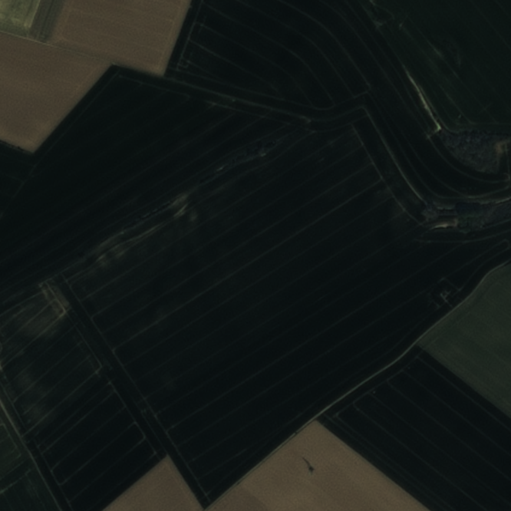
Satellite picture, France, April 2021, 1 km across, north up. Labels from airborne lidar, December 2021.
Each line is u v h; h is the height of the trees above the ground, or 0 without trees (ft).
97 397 0
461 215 56
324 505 0
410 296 0
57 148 0
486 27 0
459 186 0
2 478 0
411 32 0
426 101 0
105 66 0
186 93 0
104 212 0
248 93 0
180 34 0
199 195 0
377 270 0
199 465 0
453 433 0
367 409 0
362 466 0
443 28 0
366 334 0
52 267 0
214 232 0
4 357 0
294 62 0
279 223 0
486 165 65
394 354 0
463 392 0
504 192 0
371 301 0
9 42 0
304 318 0
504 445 0
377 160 0
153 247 0
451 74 0
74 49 0
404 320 0
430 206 80
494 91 0
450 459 0
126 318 0
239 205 0
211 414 0
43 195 0
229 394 0
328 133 0
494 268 0
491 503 0
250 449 0
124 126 0
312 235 0
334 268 0
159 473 0
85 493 0
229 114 0
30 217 0
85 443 0
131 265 0
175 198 0
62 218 0
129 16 0
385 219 0
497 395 0
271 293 0
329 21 0
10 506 0
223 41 0
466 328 0
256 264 0
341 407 0
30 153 0
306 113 0
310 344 0
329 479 0
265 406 0
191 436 0
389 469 0
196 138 0
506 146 0
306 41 0
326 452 0
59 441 0
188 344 0
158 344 0
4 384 0
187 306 0
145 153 0
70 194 0
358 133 0
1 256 0
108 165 0
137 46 0
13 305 0
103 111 0
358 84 0
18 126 0
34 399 0
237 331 0
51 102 0
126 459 0
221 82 0
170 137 0
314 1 0
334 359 0
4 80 0
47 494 0
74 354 0
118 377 0
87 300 0
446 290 0
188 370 0
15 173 0
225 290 0
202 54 0
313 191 0
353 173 0
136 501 0
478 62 0
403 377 0
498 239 0
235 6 0
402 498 0
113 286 0
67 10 0
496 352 0
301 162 0
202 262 0
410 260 0
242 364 0
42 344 0
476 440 0
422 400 0
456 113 0
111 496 0
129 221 0
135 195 0
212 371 0
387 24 0
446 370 0
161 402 0
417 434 0
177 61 0
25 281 0
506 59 0
